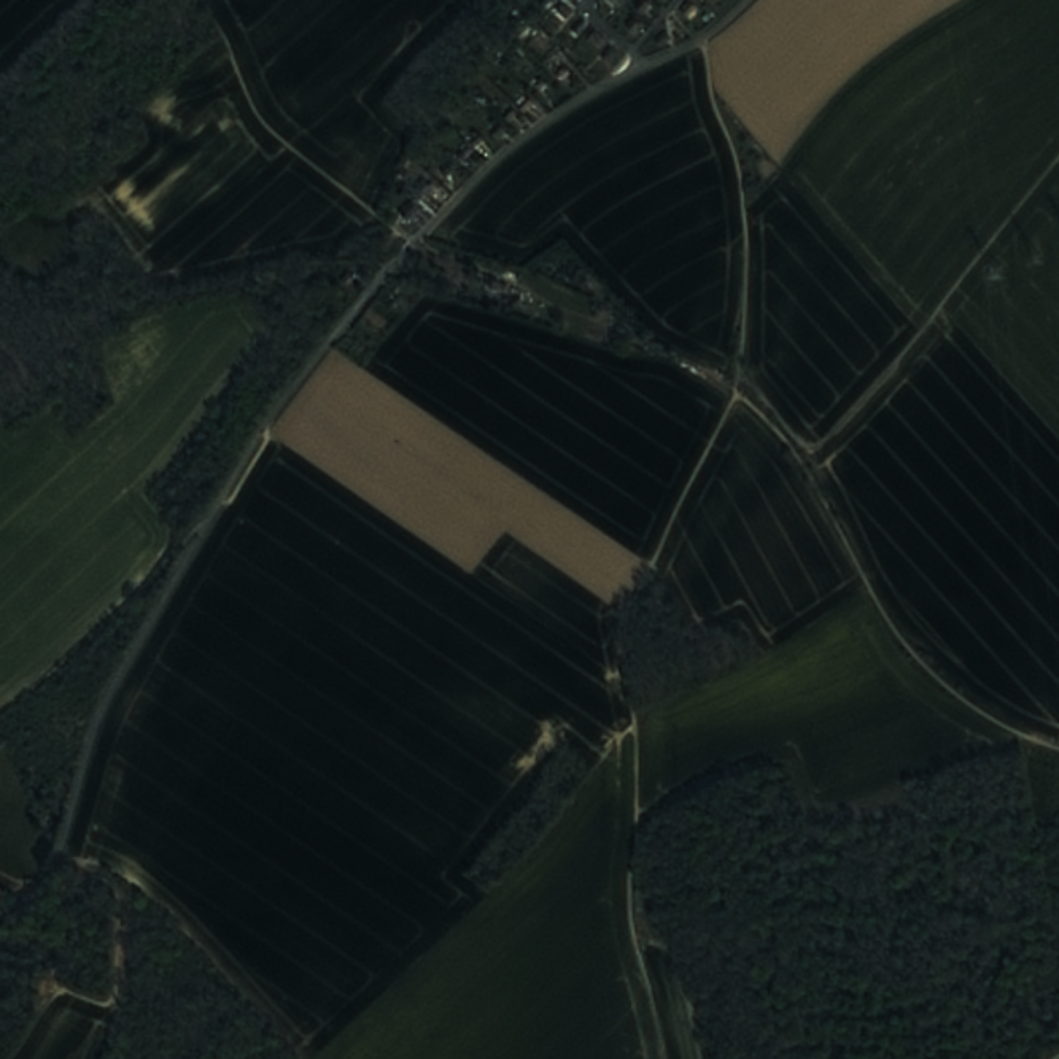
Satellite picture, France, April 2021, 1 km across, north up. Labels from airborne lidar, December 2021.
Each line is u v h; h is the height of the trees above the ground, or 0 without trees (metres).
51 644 0
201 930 0
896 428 0
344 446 0
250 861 0
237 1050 26
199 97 0
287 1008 0
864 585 0
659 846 19
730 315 0
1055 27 0
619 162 0
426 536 0
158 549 0
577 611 0
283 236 0
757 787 18
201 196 0
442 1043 0
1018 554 0
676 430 0
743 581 0
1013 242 0
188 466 18
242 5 0
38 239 0
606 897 0
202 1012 20
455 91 21
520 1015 0
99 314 25
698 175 0
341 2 0
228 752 0
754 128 0
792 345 0
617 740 0
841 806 0
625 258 0
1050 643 0
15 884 0
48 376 26
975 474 0
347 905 0
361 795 0
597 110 0
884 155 0
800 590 0
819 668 0
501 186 0
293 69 0
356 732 0
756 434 0
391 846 0
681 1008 0
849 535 0
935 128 0
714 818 24
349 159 0
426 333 0
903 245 0
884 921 31
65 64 22
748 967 22
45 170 25
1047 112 0
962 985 13
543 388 0
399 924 0
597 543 0
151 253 0
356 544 0
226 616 0
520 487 0
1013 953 13
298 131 0
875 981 29
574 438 0
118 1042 17
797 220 0
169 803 0
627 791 0
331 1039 0
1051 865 9
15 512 0
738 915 24
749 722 0
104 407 19
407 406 0
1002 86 0
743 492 0
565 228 0
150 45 17
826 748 0
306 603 0
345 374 0
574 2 0
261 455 0
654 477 0
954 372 0
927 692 0
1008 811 15
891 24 0
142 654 0
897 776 0
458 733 0
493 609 0
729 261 0
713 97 0
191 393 0
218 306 0
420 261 12
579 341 0
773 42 0
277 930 0
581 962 0
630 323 7
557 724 0
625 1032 0
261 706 0
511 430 0
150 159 0
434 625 0
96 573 0
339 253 10
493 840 20
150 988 23
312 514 0
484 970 0
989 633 0
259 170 0
